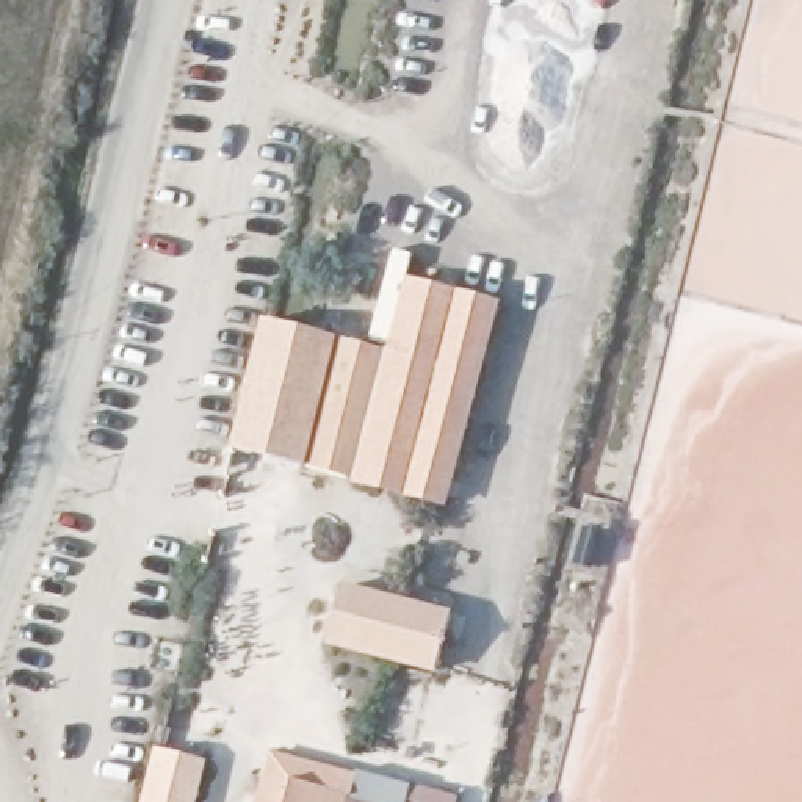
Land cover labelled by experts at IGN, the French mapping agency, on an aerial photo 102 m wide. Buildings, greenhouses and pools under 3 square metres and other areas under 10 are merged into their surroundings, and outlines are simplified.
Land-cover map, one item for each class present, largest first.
<instances>
[{"label":"pervious surface","instance_id":"1","mask_svg":"<svg viewBox=\"0 0 802 802\"><path fill-rule=\"evenodd\" d=\"M329 0H135V16L122 56L110 69L116 85L107 103V132L88 150L85 160V232L69 260L66 294L60 301L53 329L56 335L53 348L44 357L38 395L31 401V423L25 432L19 473L6 501L0 504V802H141L150 752L160 746L197 755L204 761L194 802H241L260 786V764H266V758L279 746H294L291 758L398 780L404 783V802H548V793L561 796V780L595 655V639L608 614L614 564L630 551L636 536L630 504L636 495L648 429L661 395V379L674 341V323L686 298L692 254L702 232V216L721 141L727 132L742 41L752 25L755 0H736V6L727 13V28L717 44L721 78L708 91V107L702 113L670 107L664 100L670 88L674 47L689 13L686 0H404V9L398 13V56L388 69L410 75L407 88H382L376 100L345 103L338 100V85L329 75L316 78L310 72V63L320 47L323 13ZM680 119L705 122V135L695 141L692 154L699 163V175L692 182L670 179ZM288 122L310 128L316 141H354L360 154L370 160V207L360 216L351 210H335L341 204V194H351L354 179L338 169L335 157L320 163L313 182V216L304 235L313 244L320 238H335V251L341 257V285L348 294H307L301 301L291 294L288 282H276L273 276V269L279 266L273 257L291 238L298 216L294 197L282 188V182L298 169L273 157V144L282 138V125ZM664 191L689 197V210L683 216L677 254L664 266L655 291L661 310L652 320L645 373L633 398L623 448L605 451L614 379L630 335V310L645 263V244L655 232V216ZM388 251H407L410 276L457 285L498 301L448 498L439 504V526H414L401 514L410 498L401 492H388L385 498H379V482H354V473H341L335 467H329L320 476L310 470V461L279 457L269 451V445H263L257 454L241 451L229 439L232 404L241 395V379L257 320L279 316L360 341L373 323ZM320 517L351 526V545L338 561L313 558V523ZM216 529H222L235 545L232 586L213 620V677L201 683V702L194 714H188L185 708H169V717H163L157 708H144V695H160L163 686L175 680L182 661V636H188V623L169 617L163 605L166 589L172 583L169 558H179V548L185 542H210ZM420 542L423 561L420 567H410L404 573L407 595L448 608V627L435 667H407L410 689L395 727L398 746L351 752L345 742V708H360L376 692V680L385 661L376 655L348 652L335 645L329 611H338L335 586L363 580H376L388 558H395L404 545Z\"/></svg>","mask_w":802,"mask_h":802},{"label":"water","instance_id":"2","mask_svg":"<svg viewBox=\"0 0 802 802\"><path fill-rule=\"evenodd\" d=\"M367 0H348L338 34V63L345 69H357L354 53ZM636 536L630 551L614 564L608 614L595 639V655L561 780V796L548 793V802H802V0H755L752 25L742 41L727 132L721 141L702 216V232L692 254L686 298L674 323V341L661 379V395L648 429L636 495L630 504Z\"/></svg>","mask_w":802,"mask_h":802},{"label":"building","instance_id":"3","mask_svg":"<svg viewBox=\"0 0 802 802\"><path fill-rule=\"evenodd\" d=\"M407 251H388L373 323L360 341L279 316L257 320L241 379V395L232 404L229 439L241 451L257 454L263 445H269V451L279 457L310 461V470L320 476L329 467H335L341 473H354V482H379V498H385L388 492H401L410 498L439 504L448 498L498 301L457 285L410 276ZM338 611H329L335 645L348 652L376 655L385 661H398L407 667H435L448 627V608L407 595L367 589L363 580L335 586ZM204 761L197 755L160 746L150 752L141 802H194ZM294 746H279L266 758V764H260V786L241 802H404V783L398 780L291 758Z\"/></svg>","mask_w":802,"mask_h":802},{"label":"herbaceous vegetation","instance_id":"4","mask_svg":"<svg viewBox=\"0 0 802 802\"><path fill-rule=\"evenodd\" d=\"M135 16V0H81L78 31L66 56L63 97L69 119L75 125V144L63 157H53L50 169L44 172L41 204L34 207L28 232L38 282L19 301L22 326L13 332L9 345L13 373L0 388V504L6 501L19 473L25 432L31 423V401L38 395L44 357L53 348L56 335L53 329L60 301L66 294L69 260L85 232V160L88 150L107 132V103L116 85L110 69L122 56ZM404 9V0H367L354 53L357 69H345L338 63V53L326 56L320 47L310 63V72L316 78L329 75L338 85V100L345 103L376 100L382 88H407L410 75L388 69L398 56V13ZM689 13L674 47L670 88L664 100L670 107L702 113L708 107V91L721 78L717 44L727 28V13L736 6V0H686ZM705 135V122L680 119L670 179L692 182L699 175V163L692 154L695 141ZM689 210V197L664 191L655 216V232L645 244V263L630 310V335L614 379L605 451L623 448L633 398L645 373L652 320L661 310L655 291L664 266L677 254L683 216Z\"/></svg>","mask_w":802,"mask_h":802},{"label":"brushwood","instance_id":"5","mask_svg":"<svg viewBox=\"0 0 802 802\"><path fill-rule=\"evenodd\" d=\"M348 0H329L323 13L320 47L326 56L338 53V34ZM273 157L298 169L282 182V188L294 197L298 216L291 238L273 257L279 266L273 269V276L276 282H288L291 294L301 301L307 294H348L341 285V257L335 251V238H320L313 244L304 235L313 216V182L320 163L335 157L338 169L354 179L351 194H341V204L335 210H351L360 216L370 207V160L360 154L354 141H316L310 128L288 122L282 125V138L273 144ZM439 504L410 498L401 514L414 526H439ZM351 545V526L320 517L313 523V558L338 561ZM235 545L222 529H216L210 542H185L179 548V558H169L172 583L166 589L163 605L169 617L188 623V636H182V661L175 680L163 686L160 695H144V708H157L163 717H169V708H185L188 714H194L201 702V683L213 677V620L232 586ZM423 561L420 542L404 545L395 558H388L376 580H363L367 589L407 595L404 573L410 567H420ZM410 689L407 667L398 661H385L376 680V692L360 708H345V742L351 752L398 746L395 727Z\"/></svg>","mask_w":802,"mask_h":802},{"label":"agricultural land","instance_id":"6","mask_svg":"<svg viewBox=\"0 0 802 802\"><path fill-rule=\"evenodd\" d=\"M81 0H0V388L13 373L9 345L13 332L22 326L19 301L38 282L28 232L34 207L41 204L44 172L50 169L53 157H63L75 144V125L69 119L63 97L66 56L78 31Z\"/></svg>","mask_w":802,"mask_h":802}]
</instances>
